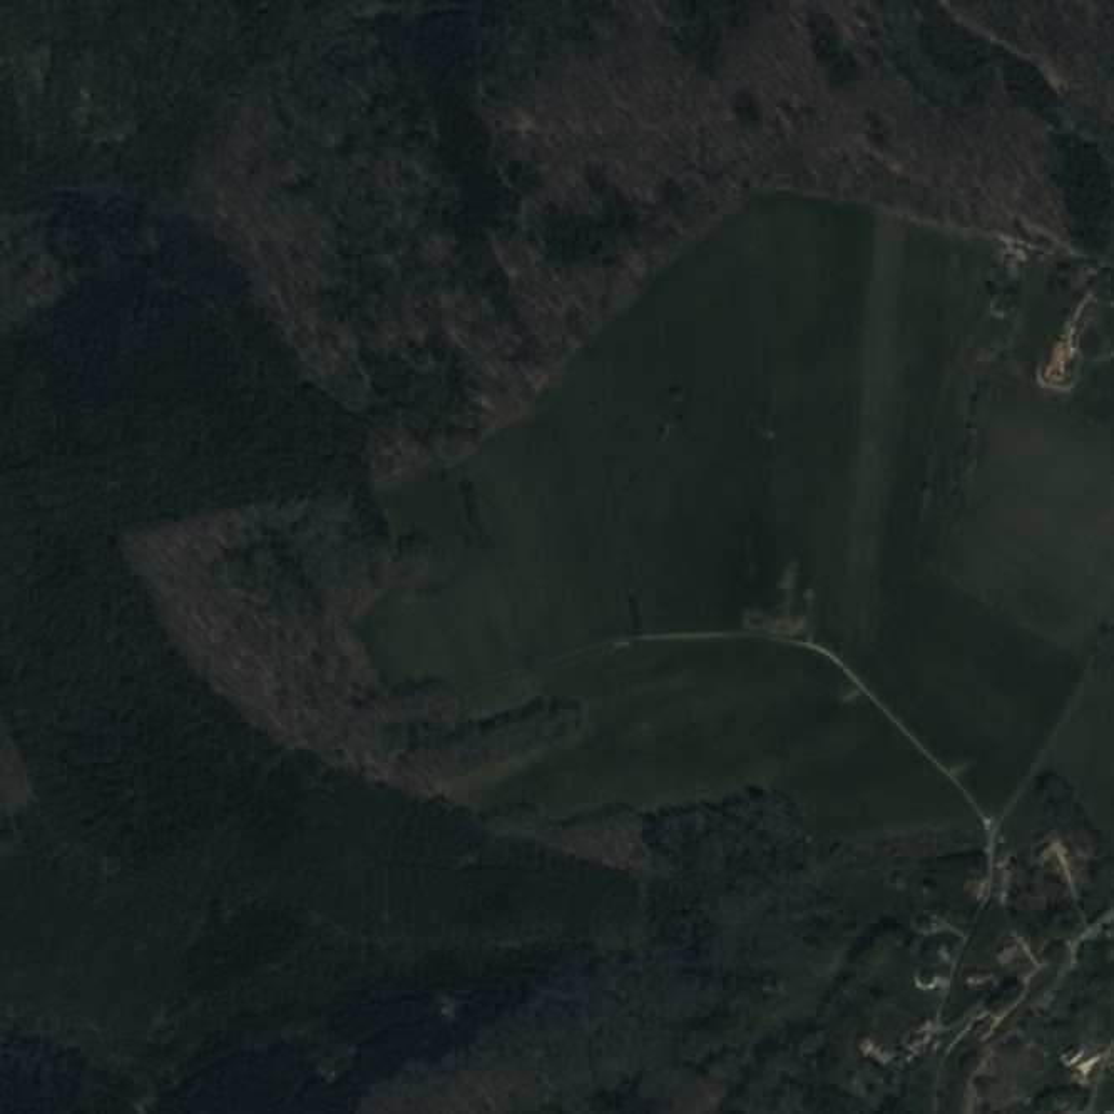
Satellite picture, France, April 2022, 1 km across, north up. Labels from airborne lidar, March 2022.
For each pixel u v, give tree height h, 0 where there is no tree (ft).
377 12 88
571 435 0
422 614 0
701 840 90
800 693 0
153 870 54
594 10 63
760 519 0
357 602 91
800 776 0
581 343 84
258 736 57
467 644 0
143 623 63
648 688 0
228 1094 56
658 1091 114
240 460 69
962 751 0
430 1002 59
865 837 0
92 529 55
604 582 0
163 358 72
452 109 52
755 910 107
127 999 57
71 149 72
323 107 62
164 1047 50
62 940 65
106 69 53
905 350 0
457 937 51
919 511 0
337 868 41
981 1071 68
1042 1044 82
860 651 0
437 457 94
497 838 72
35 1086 73
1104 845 77
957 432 0
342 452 60
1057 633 0
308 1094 32
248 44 62
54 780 56
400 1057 33
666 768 0
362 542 58
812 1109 60
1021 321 0
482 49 72
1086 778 0
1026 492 0
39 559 53
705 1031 77
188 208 68
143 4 63
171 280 57
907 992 0
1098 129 78
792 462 0
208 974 45
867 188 78
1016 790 0
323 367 86
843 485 0
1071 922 72
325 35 85
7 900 57
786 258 0
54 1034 65
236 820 52
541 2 67
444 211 66
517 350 76
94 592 54
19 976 56
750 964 102
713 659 0
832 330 0
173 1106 51
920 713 0
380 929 48
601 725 0
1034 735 0
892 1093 65
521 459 0
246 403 73
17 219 88
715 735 0
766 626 0
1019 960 0
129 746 71
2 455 60
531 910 54
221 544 98
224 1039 65
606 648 0
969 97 90
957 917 23
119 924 55
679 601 0
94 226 86
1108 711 0
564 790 0
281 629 105
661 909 70
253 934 55
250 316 54
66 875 62
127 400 41
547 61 72
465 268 74
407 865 39
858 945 0
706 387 0
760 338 0
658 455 0
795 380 0
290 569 104
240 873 47
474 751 91
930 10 55
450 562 0
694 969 92
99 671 47
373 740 94
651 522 0
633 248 77
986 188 73
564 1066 94
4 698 75
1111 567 0
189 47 67
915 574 0
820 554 0
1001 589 0
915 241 0
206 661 66
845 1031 0
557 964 63
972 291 0
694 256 0
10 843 62
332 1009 26
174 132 57
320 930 42
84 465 76
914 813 0
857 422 0
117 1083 67
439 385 45
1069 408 0
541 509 0
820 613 0
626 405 0
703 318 0
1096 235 68
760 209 0
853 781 0
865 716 0
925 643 0
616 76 86
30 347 56
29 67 26
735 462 0
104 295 60
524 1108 84
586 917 55
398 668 0
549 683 0
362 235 57
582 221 70
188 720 52
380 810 43
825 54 80
